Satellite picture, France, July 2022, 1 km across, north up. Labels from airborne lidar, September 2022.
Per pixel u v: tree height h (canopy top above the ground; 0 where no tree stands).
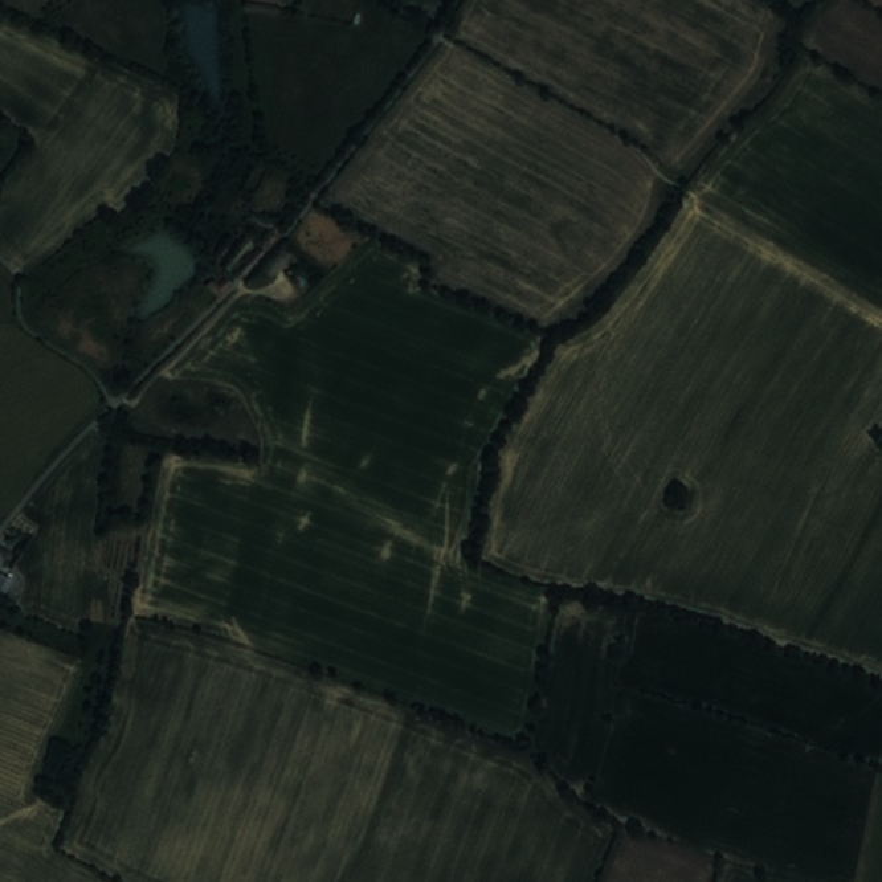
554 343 15
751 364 0
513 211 0
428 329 0
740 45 0
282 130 0
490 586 0
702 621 14
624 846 0
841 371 0
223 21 9
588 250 0
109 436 10
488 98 0
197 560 0
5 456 0
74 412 0
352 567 0
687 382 0
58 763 10
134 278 0
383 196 0
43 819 0
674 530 0
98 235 0
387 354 0
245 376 0
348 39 0
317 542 0
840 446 0
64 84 0
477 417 0
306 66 0
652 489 0
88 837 0
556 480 0
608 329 0
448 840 0
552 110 0
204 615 0
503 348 0
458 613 0
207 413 0
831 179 0
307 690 0
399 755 0
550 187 0
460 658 0
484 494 14
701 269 0
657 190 0
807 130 0
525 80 14
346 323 0
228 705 0
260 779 0
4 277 0
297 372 0
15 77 0
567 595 11
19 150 7
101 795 0
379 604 0
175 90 8
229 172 9
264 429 0
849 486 0
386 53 0
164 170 18
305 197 9
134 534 0
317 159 0
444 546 0
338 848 0
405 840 0
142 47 0
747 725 12
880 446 23
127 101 0
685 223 0
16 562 10
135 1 0
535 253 0
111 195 0
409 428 0
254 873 0
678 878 0
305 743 0
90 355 0
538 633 0
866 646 0
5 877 0
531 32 0
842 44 0
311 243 0
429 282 10
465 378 0
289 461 0
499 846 0
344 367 0
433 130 0
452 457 0
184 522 0
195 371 0
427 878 0
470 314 0
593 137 0
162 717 0
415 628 0
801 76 0
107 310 0
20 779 0
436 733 0
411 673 0
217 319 0
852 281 0
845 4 0
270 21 0
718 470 0
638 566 0
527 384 17
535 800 0
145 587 0
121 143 0
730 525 0
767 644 13
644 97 0
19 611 11
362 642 0
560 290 0
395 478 0
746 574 0
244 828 0
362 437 0
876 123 0
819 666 10
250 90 7
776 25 0
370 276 0
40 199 0
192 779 0
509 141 0
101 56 9
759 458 0
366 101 0
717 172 0
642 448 0
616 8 0
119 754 0
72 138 0
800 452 0
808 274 0
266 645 0
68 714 0
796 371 0
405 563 0
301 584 0
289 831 0
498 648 0
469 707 0
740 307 0
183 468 0
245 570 0
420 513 0
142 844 0
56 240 0
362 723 0
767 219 0
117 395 0
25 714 0
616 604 22
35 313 0
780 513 0
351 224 27
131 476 0
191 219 7
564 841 0
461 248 0
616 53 0
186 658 0
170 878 0
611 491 0
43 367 0
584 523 0
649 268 0
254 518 0
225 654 0
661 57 0
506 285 0
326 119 0
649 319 0
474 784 0
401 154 0
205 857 0
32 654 0
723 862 13
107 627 0
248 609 0
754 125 0
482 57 7
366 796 0
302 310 0
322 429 0
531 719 0
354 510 0
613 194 0
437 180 0
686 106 0
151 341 0
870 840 0
